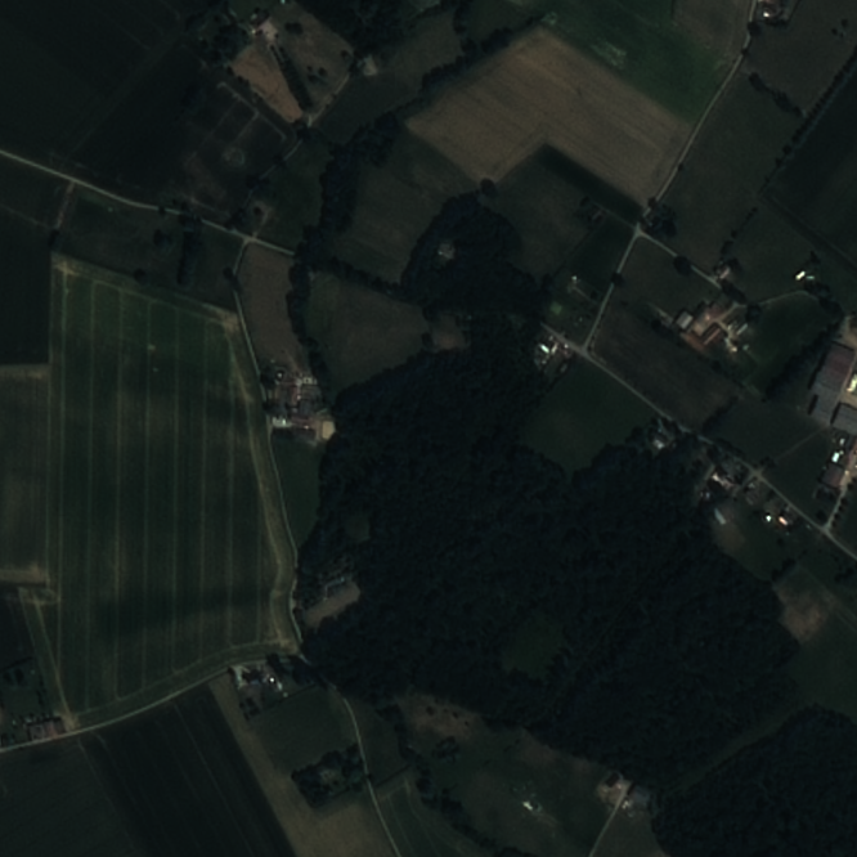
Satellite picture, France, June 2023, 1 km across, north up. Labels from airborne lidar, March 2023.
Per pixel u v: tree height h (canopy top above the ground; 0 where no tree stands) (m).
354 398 20
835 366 0
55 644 0
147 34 0
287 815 0
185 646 0
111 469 0
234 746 0
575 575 23
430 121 0
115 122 0
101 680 0
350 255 0
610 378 0
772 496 7
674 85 0
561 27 0
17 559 0
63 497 0
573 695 18
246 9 0
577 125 0
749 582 10
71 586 0
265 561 0
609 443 0
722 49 0
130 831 0
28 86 0
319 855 0
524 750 0
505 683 25
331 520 19
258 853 0
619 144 0
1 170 0
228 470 0
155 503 0
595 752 17
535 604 21
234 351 0
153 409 0
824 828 25
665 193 0
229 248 0
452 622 25
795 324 0
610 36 0
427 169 0
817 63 0
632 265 0
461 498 20
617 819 0
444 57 0
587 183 0
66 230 0
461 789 0
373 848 0
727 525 0
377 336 0
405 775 0
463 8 16
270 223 0
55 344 0
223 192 0
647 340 0
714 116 0
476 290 23
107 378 0
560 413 0
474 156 0
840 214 0
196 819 0
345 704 0
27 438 0
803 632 0
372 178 0
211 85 0
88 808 0
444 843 0
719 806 13
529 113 0
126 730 0
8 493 0
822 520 10
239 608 0
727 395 0
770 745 17
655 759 17
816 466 0
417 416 27
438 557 20
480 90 0
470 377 21
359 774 12
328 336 0
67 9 0
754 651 20
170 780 0
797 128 0
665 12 0
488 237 24
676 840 19
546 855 0
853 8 0
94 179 0
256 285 0
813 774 25
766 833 25
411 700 0
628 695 23
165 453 0
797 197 0
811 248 0
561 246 0
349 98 0
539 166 0
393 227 0
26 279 0
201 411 0
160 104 0
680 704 24
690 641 21
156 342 0
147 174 0
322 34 0
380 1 10
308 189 0
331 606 0
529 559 21
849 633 0
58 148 0
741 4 0
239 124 0
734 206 0
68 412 0
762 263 0
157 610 0
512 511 19
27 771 0
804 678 0
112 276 0
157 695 0
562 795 0
